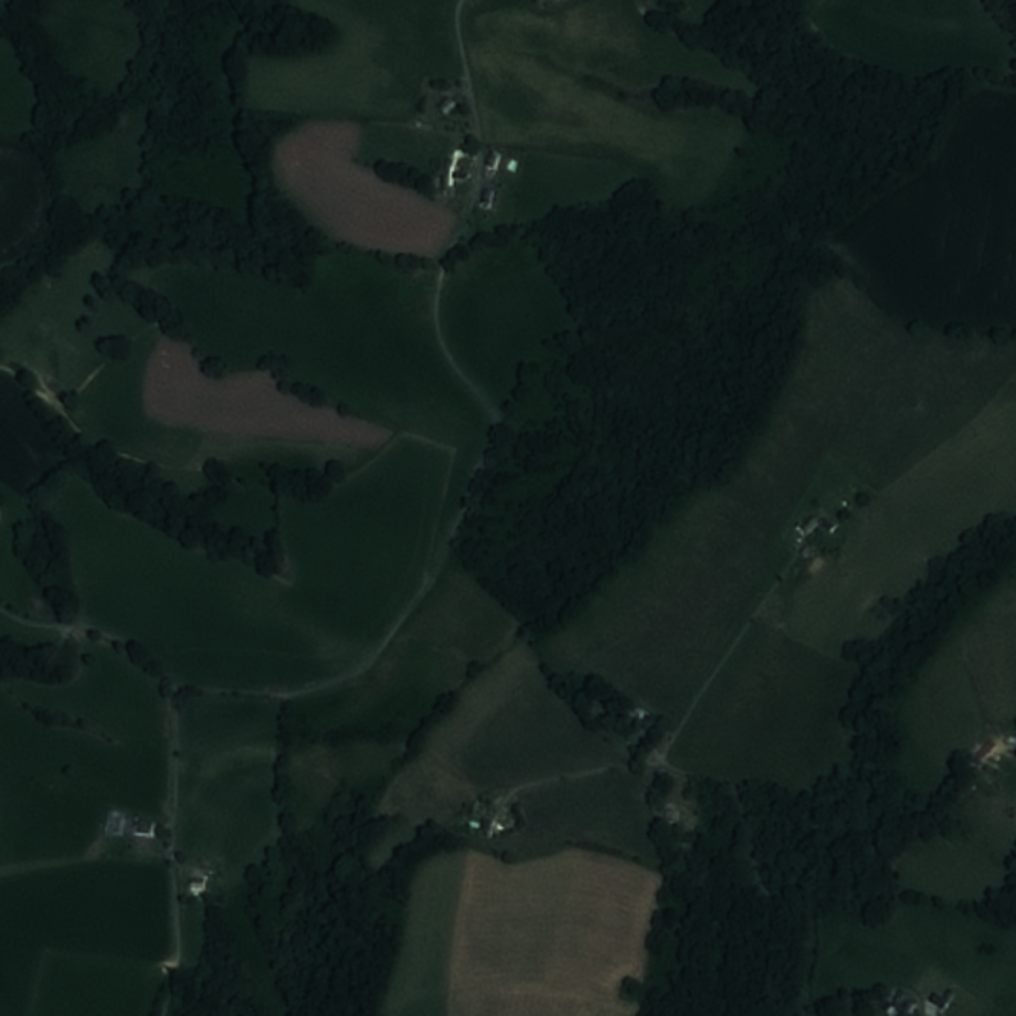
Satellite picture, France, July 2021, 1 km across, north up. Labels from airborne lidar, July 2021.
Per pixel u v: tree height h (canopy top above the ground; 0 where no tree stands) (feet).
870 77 70
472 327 0
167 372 0
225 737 0
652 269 50
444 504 0
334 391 0
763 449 0
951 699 0
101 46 0
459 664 0
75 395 39
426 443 0
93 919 0
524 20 0
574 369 49
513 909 0
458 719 0
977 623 0
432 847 36
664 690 0
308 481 63
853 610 0
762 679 0
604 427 42
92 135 75
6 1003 0
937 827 74
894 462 0
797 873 77
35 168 0
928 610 51
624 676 0
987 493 0
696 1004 52
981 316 0
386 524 0
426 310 0
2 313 95
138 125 0
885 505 0
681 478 61
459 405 0
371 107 0
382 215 0
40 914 0
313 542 0
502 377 0
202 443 0
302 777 0
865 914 23
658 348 32
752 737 0
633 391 38
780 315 70
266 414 0
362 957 46
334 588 0
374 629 0
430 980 0
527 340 0
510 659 0
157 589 0
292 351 0
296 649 0
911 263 0
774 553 0
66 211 63
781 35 69
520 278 0
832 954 0
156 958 0
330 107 0
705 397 74
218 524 29
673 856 58
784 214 55
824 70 64
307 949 69
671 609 0
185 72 24
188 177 0
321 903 67
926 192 0
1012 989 0
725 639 0
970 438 0
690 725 0
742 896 54
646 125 0
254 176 71
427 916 0
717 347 48
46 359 0
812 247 49
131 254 71
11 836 0
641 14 0
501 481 55
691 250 43
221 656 0
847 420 0
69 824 0
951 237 0
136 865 0
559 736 0
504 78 0
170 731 0
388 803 0
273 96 0
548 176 0
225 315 0
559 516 77
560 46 0
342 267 0
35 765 0
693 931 57
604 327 50
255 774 0
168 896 0
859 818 73
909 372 0
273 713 0
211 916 54
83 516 0
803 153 52
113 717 0
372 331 0
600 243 28
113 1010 0
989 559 33
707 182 0
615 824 0
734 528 0
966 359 0
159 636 0
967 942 0
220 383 44
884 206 0
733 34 74
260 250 81
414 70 0
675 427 52
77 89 69
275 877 76
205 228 82
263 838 0
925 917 0
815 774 0
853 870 77
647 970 0
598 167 0
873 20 0
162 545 0
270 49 65
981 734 0
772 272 20
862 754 81
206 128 27
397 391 0
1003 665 0
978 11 0
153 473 64
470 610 0
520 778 0
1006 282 0
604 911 0
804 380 0
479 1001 0
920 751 0
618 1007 0
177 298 0
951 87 85
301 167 0
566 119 0
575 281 49
